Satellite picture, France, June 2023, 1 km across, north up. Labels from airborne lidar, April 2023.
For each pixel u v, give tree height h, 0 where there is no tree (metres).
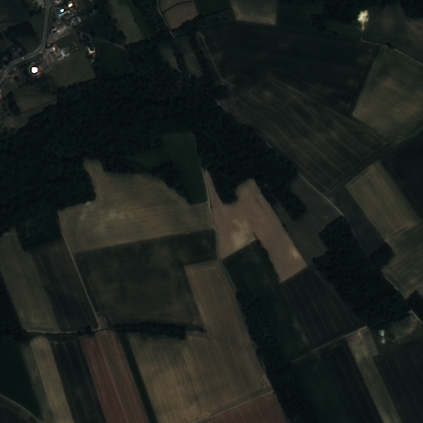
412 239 0
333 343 0
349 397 0
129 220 0
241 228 0
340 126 0
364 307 20
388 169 0
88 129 20
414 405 0
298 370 0
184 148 0
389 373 0
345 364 0
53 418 0
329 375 0
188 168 0
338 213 0
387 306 8
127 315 0
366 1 13
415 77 0
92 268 0
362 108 0
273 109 0
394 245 0
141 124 24
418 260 0
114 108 17
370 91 0
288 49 0
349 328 0
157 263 0
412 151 0
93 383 0
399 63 0
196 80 16
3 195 22
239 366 0
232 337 0
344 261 16
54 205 18
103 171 0
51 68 0
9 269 0
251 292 0
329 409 0
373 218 0
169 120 20
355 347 0
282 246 0
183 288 0
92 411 0
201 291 0
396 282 0
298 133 0
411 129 0
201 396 0
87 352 0
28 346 0
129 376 0
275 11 0
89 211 0
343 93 0
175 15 0
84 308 0
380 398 0
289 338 0
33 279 0
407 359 0
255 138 16
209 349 0
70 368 0
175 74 19
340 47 0
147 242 0
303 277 0
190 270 0
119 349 0
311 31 0
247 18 0
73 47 0
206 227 0
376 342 0
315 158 0
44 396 0
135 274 0
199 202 0
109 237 0
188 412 0
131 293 0
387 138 0
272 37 0
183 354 0
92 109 20
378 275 21
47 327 0
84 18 0
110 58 0
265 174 18
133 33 0
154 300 0
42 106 0
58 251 0
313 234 0
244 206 0
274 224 0
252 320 10
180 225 0
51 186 20
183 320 0
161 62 15
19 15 0
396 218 0
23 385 0
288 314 0
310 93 0
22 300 0
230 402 0
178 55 28
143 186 0
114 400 0
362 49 0
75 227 0
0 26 0
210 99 16
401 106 0
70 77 0
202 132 15
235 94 0
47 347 0
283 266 0
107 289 0
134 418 0
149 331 17
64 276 0
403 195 0
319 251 0
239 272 0
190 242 0
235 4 0
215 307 0
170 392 0
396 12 0
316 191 0
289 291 0
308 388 0
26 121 0
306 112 0
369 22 0
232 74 0
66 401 0
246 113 0
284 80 0
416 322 0
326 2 9
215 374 0
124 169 21
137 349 0
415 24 0
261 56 0
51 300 0
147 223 0
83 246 0
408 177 0
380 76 0
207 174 0
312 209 0
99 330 0
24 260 0
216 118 20
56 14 0
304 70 0
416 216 0
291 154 0
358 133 0
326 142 0
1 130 0
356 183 0
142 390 0
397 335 0
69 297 0
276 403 0
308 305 0
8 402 0
